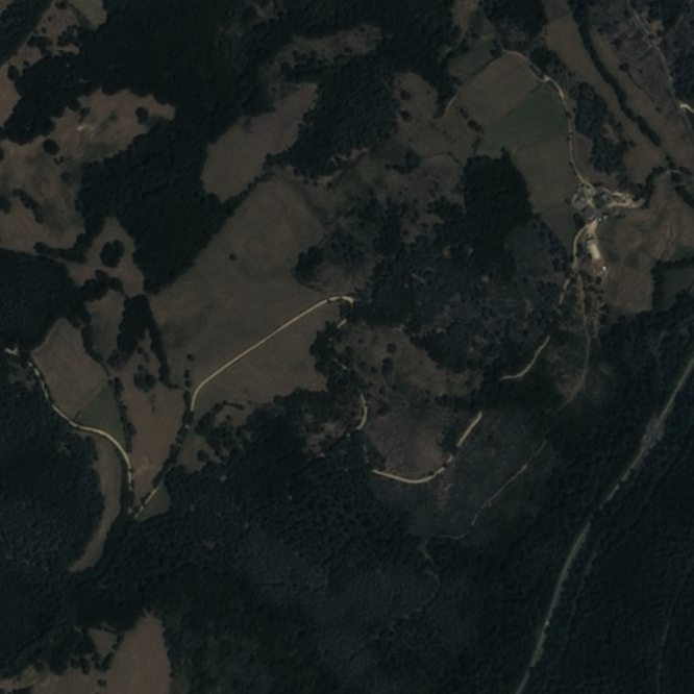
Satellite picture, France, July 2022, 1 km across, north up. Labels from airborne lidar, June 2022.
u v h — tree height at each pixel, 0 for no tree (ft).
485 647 60
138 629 0
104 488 0
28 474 54
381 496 0
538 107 0
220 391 0
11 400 41
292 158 61
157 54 55
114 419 0
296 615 33
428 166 0
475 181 60
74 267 0
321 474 72
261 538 57
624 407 26
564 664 55
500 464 0
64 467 59
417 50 73
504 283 46
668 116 0
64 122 0
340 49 0
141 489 0
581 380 0
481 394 56
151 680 0
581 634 54
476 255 48
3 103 0
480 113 0
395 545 104
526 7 44
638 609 52
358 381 44
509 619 65
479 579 94
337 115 79
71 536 55
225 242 0
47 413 56
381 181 0
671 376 40
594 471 56
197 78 64
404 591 54
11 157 0
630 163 0
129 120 0
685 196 40
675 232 0
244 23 51
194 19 48
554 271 24
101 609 103
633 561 47
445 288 49
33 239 0
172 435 0
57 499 62
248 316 0
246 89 57
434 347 48
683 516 60
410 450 0
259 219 0
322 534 85
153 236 78
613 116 22
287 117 0
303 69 42
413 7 48
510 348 63
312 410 24
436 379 0
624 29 0
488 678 50
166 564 104
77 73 41
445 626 49
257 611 43
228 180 0
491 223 76
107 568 55
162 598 33
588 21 82
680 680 31
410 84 0
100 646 0
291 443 41
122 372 0
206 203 60
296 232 0
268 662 28
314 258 32
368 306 31
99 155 0
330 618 54
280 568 51
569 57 0
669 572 50
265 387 0
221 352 0
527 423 30
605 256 0
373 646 28
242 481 50
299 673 22
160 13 63
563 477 27
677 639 28
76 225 0
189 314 0
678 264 33
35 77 53
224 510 52
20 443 43
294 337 0
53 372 0
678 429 42
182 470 34
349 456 49
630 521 64
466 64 0
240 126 0
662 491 57
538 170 0
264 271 0
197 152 51
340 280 0
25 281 66
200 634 21
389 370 41
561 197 0
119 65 49
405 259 54
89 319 46
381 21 74
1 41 64
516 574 19
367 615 51
